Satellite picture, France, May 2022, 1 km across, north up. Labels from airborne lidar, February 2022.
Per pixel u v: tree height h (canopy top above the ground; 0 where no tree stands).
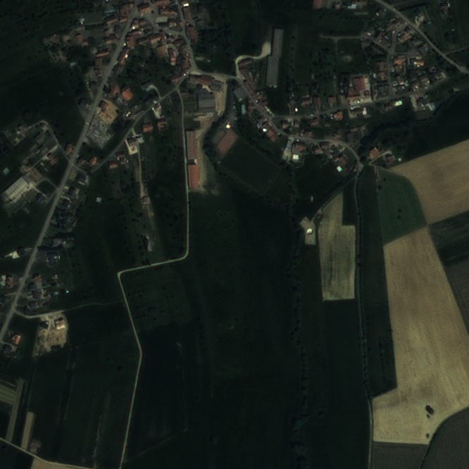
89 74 0
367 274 0
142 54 0
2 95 0
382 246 0
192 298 0
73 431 0
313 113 0
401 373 0
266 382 0
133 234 0
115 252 0
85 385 0
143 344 0
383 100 0
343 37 0
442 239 0
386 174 0
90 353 0
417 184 0
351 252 0
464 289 0
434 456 0
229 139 0
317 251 0
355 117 0
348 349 0
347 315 0
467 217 0
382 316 0
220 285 0
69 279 0
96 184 0
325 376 0
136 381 0
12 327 0
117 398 0
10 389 0
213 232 0
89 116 0
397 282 0
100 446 0
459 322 0
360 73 0
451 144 0
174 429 0
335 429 0
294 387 0
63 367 0
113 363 0
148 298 0
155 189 0
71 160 0
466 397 0
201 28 0
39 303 0
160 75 0
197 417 0
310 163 0
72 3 6
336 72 7
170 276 0
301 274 0
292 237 0
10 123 0
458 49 0
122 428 0
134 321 0
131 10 0
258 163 0
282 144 0
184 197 0
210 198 0
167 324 0
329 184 0
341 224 0
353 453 0
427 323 0
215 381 0
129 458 0
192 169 0
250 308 0
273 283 0
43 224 0
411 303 0
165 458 0
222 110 0
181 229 0
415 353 0
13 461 0
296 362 0
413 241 0
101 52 0
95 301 0
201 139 0
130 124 11
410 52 0
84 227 0
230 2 0
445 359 0
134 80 9
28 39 7
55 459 0
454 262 0
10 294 0
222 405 0
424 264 0
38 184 0
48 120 0
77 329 0
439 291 0
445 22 0
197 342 0
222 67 0
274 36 0
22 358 0
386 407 0
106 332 0
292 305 0
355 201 0
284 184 0
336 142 0
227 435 0
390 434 0
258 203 0
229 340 0
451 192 0
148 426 0
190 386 0
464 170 0
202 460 0
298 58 0
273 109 0
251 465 0
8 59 0
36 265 0
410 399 0
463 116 0
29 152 0
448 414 0
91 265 0
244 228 0
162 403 0
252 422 0
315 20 0
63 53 8
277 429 0
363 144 16
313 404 0
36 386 0
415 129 0
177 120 0
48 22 0
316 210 0
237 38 0
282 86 0
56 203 0
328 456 0
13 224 0
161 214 0
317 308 0
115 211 0
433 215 0
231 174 0
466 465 0
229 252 0
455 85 0
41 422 0
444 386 0
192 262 0
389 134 0
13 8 0
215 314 0
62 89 0
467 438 0
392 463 0
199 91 0
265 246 0
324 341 0
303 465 17
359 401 0
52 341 0
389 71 0
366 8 0
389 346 0
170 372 0
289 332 0
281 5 0
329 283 0
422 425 0
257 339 0
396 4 0
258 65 0
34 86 0
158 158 0
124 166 0
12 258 0
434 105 0
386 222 0
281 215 0
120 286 0
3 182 0
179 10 0
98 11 0
